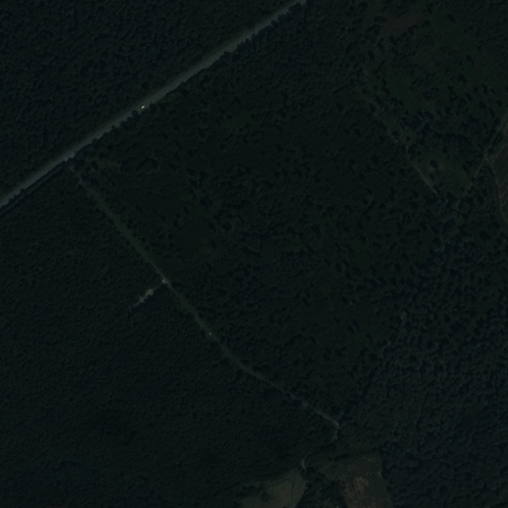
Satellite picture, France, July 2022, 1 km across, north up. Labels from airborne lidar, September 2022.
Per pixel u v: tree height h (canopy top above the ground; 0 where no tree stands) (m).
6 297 25
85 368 15
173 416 20
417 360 27
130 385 15
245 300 30
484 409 30
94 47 28
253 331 14
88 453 24
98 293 25
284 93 7
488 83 0
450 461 15
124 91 29
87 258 25
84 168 17
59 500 19
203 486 17
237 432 21
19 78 27
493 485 27
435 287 31
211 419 22
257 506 0
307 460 6
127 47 26
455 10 22
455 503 27
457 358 21
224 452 21
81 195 23
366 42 8
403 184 8
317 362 7
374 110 28
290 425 14
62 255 22
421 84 9
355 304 10
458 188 0
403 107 30
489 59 0
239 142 9
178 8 24
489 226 6
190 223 6
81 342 21
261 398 19
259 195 15
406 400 23
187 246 7
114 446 18
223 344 9
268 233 14
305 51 27
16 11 26
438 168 33
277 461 18
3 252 25
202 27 20
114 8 28
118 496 19
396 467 32
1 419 23
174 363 19
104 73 28
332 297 7
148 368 15
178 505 27
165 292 22
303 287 10
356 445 0
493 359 24
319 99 21
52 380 18
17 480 24
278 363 25
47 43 28
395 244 12
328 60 23
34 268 19
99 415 12
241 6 21
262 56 25
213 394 22
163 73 31
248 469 20
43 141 25
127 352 15
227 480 22
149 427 19
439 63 8
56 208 24
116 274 24
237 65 24
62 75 28
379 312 7
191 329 25
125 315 17
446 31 0
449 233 29
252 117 10
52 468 25
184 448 20
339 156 8
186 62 29
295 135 8
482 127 25
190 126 9
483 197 7
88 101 29
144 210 7
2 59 26
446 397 23
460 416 30
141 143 9
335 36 23
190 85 9
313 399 11
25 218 23
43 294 25
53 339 20
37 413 25
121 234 8
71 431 19
